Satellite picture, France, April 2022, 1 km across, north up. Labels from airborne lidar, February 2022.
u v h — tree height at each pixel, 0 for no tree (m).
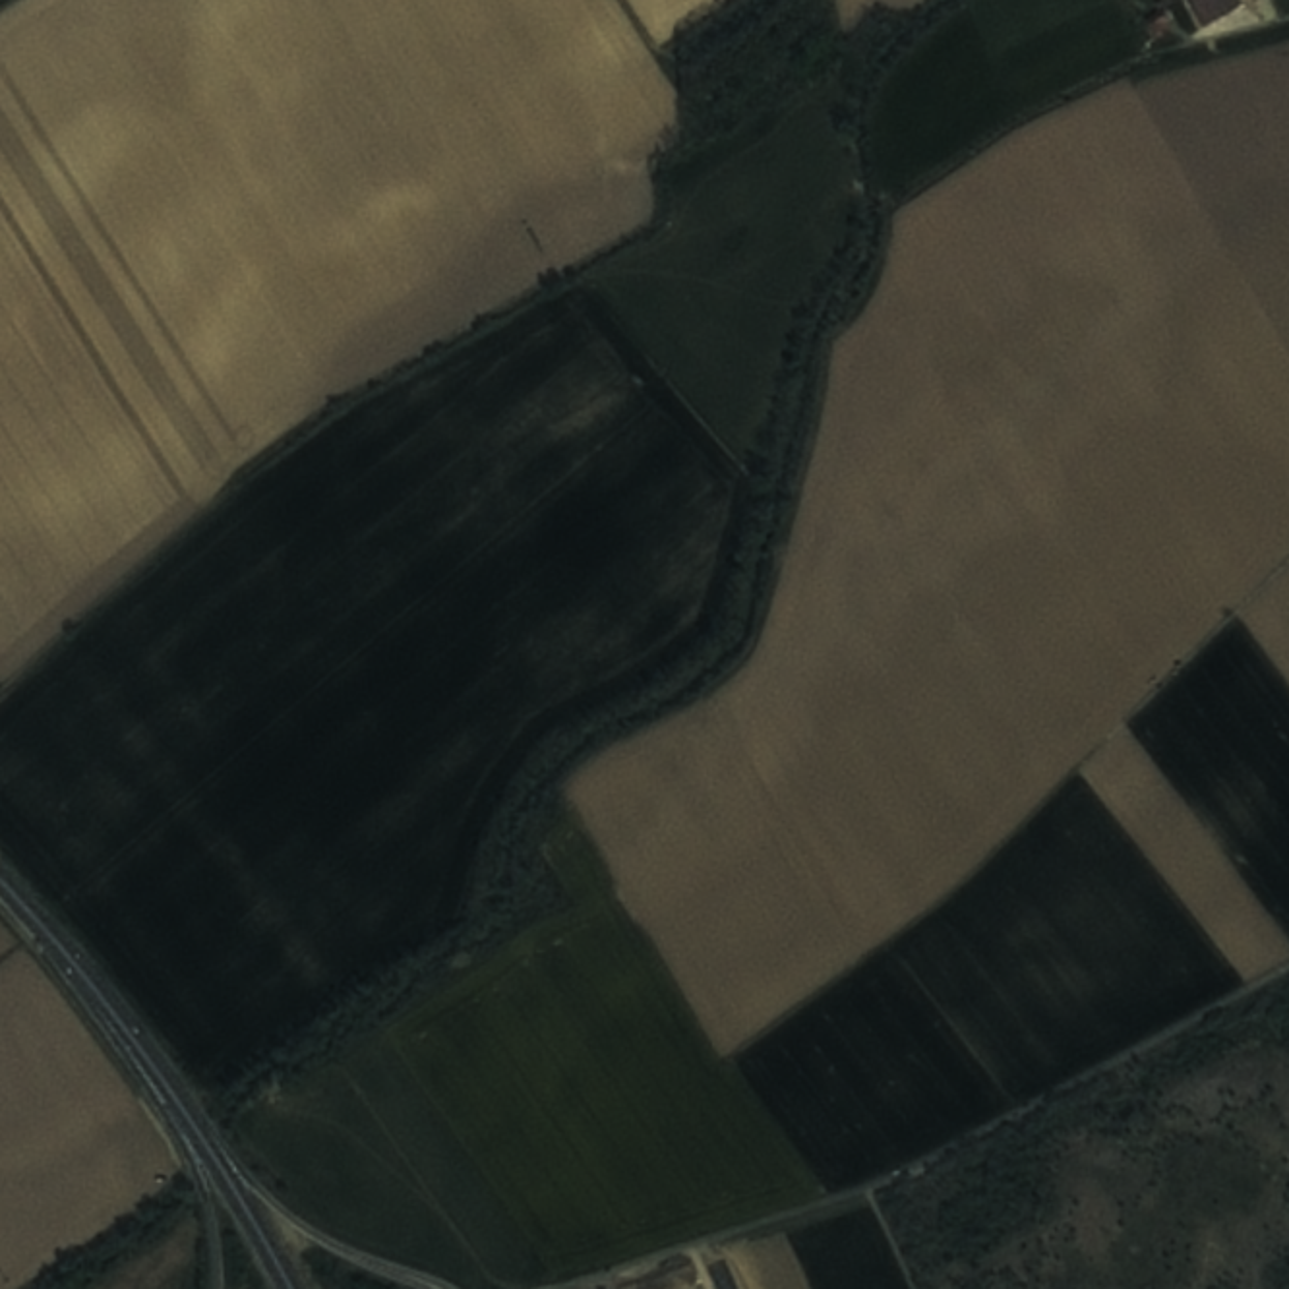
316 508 0
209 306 0
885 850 0
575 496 0
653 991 0
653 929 0
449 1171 0
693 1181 0
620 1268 0
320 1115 0
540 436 0
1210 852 0
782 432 16
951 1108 0
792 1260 0
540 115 0
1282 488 0
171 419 0
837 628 0
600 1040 0
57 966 0
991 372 0
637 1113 0
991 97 0
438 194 0
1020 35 0
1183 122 0
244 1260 8
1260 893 0
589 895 0
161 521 0
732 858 0
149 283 0
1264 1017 5
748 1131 0
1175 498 0
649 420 0
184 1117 0
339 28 0
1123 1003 0
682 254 0
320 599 0
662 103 0
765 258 0
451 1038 0
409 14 0
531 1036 0
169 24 0
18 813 0
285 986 0
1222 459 0
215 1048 0
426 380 0
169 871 0
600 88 0
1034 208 0
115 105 0
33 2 0
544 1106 0
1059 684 0
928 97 0
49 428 0
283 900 0
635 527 0
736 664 17
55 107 0
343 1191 0
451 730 0
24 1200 0
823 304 11
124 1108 0
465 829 0
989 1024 0
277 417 0
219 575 0
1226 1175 0
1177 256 0
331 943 0
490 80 0
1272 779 0
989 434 0
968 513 0
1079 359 0
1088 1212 0
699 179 0
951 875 0
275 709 0
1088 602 0
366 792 0
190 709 0
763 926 0
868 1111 0
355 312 0
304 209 0
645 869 0
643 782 0
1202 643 0
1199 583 0
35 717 0
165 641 0
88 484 0
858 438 0
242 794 0
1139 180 0
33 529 0
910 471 0
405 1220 0
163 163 0
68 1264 15
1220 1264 0
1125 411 0
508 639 0
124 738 0
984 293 0
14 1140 0
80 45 0
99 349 0
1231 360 0
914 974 0
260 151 0
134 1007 0
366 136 0
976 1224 7
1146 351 0
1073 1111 11
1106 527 0
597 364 0
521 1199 0
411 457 0
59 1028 0
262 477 0
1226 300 0
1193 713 0
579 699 0
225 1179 0
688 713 0
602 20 0
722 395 0
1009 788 0
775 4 20
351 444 0
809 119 0
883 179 0
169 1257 0
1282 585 0
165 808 0
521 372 0
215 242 0
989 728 0
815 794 0
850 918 0
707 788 0
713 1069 0
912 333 0
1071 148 0
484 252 0
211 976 0
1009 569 0
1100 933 0
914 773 0
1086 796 0
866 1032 0
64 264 0
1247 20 0
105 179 0
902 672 0
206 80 0
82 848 0
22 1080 0
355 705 0
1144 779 0
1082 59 0
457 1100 0
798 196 0
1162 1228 0
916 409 0
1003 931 0
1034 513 0
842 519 0
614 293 0
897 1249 0
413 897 0
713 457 0
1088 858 0
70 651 0
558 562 0
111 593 0
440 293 0
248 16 0
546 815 16
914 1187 11
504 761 0
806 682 0
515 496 0
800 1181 0
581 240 0
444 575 0
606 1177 0
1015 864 0
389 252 0
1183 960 0
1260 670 0
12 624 0
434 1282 0
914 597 0
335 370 0
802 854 0
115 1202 0
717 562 0
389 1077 0
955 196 0
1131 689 0
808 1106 0
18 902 0
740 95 21
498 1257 0
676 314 0
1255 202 0
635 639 0
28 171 0
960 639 0
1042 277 0
